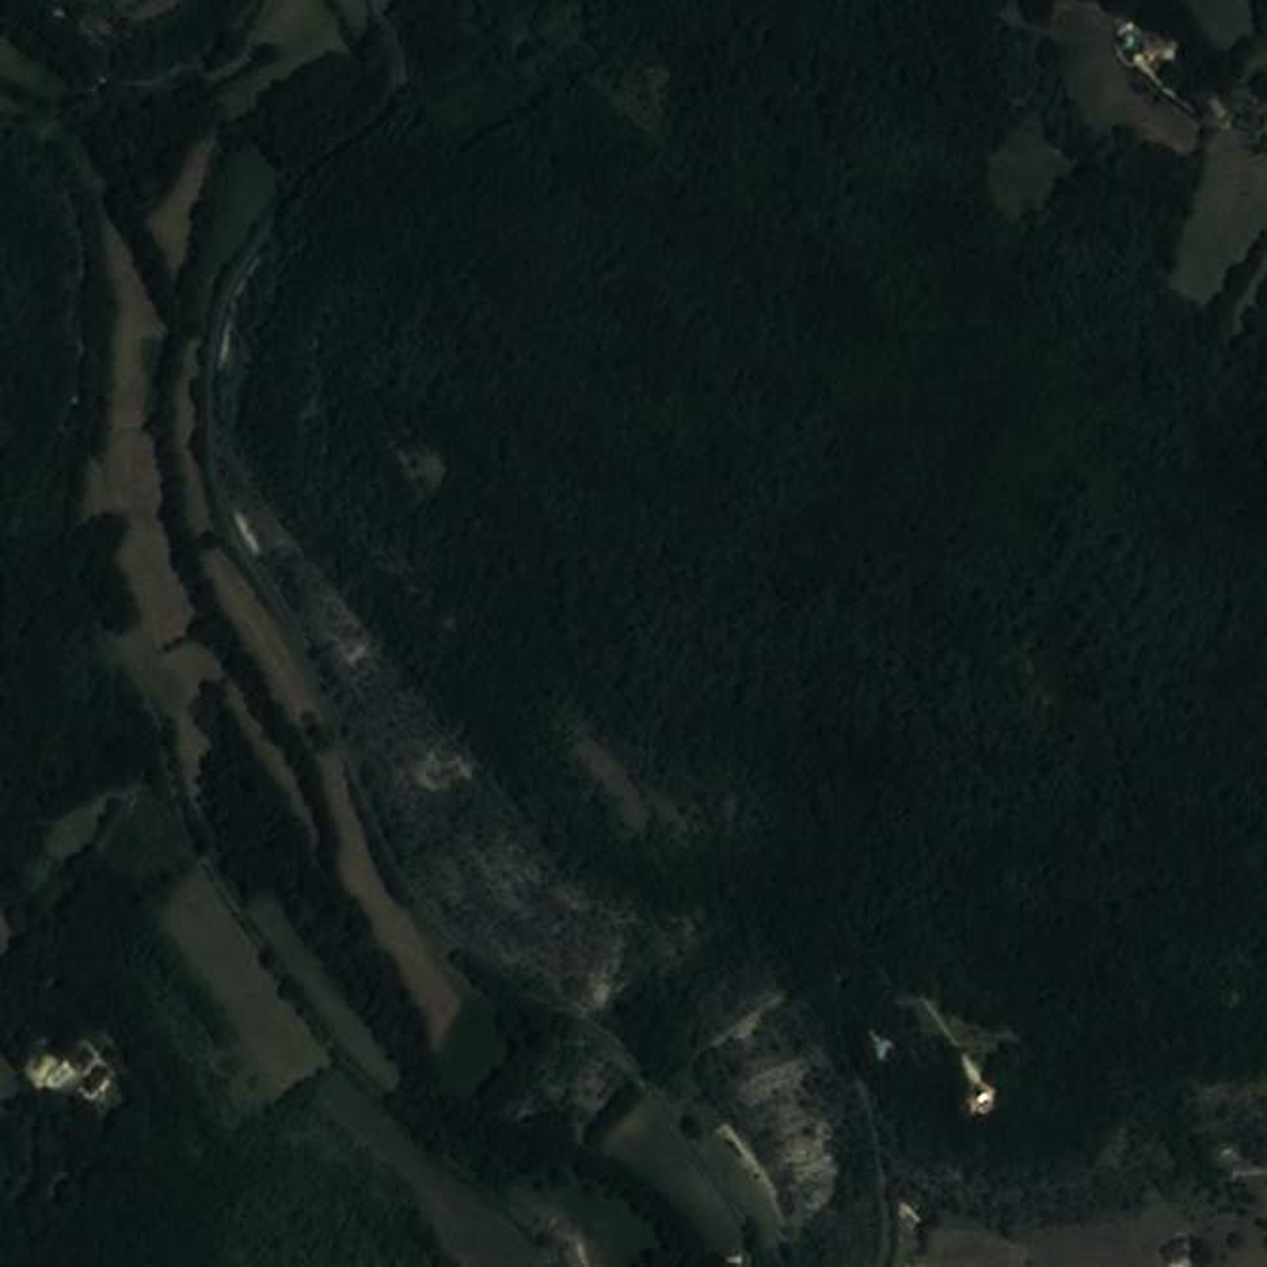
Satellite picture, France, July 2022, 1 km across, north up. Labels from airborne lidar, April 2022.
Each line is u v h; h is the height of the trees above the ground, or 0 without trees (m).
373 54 29
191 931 0
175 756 8
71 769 10
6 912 7
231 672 16
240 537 0
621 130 17
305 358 8
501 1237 0
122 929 15
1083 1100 13
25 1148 19
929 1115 15
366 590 7
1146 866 14
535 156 20
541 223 22
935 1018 0
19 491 17
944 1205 11
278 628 0
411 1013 7
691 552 16
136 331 0
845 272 12
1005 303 14
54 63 15
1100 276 10
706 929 19
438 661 11
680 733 9
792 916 17
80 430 15
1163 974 14
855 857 15
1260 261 12
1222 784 16
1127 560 18
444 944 0
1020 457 13
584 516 18
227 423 8
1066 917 17
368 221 16
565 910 11
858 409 13
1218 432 24
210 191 6
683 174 20
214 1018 15
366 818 11
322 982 0
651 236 14
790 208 12
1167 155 13
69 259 10
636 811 0
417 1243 11
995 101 24
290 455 10
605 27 15
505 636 10
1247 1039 11
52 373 14
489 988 16
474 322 23
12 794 21
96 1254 18
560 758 9
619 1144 0
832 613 19
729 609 13
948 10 18
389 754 9
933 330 15
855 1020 13
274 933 0
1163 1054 18
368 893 0
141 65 9
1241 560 17
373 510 9
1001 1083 16
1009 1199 9
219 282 7
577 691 6
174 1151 18
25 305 15
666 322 21
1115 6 23
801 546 9
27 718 21
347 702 18
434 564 12
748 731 19
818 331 11
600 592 15
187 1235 16
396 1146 0
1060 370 11
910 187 12
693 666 20
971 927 17
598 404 17
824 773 15
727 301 14
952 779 14
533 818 16
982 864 11
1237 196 0
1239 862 11
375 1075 0
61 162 20
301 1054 0
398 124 12
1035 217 23
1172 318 17
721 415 17
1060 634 0
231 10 12
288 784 0
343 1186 9
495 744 12
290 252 12
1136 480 15
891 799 19
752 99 11
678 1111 0
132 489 0
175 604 0
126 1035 16
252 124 17
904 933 21
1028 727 15
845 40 13
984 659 16
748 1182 0
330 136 31
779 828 19
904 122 19
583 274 21
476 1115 6
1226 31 0
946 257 17
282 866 24
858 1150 18
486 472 16
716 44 10
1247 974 10
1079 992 16
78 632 21
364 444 12
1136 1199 8
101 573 13
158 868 0
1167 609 16
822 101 15
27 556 18
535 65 18
